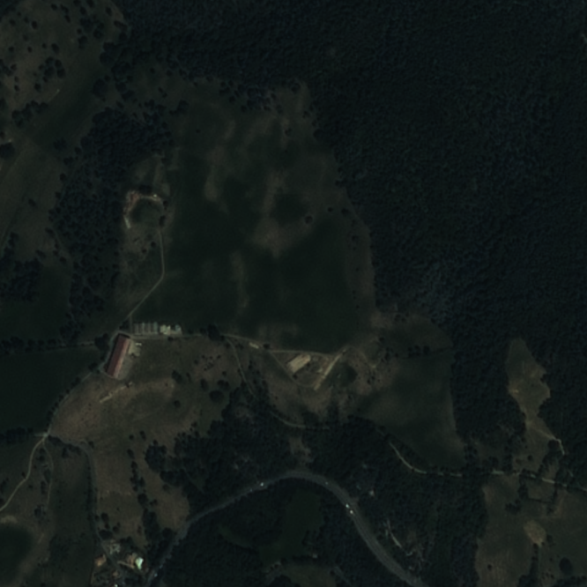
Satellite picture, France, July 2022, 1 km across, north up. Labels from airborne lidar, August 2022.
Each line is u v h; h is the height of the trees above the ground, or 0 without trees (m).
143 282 0
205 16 14
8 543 0
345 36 12
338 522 17
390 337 0
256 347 0
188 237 0
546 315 9
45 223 0
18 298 25
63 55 0
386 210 8
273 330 0
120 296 0
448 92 9
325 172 0
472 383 14
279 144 0
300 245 0
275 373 0
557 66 24
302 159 0
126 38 14
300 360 0
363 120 9
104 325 0
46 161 0
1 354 16
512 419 11
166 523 0
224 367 0
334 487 0
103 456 0
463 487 7
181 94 0
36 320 0
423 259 11
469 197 6
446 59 13
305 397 0
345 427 13
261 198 0
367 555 16
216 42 24
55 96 0
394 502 8
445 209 8
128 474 0
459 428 8
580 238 8
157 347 0
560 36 12
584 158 16
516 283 14
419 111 10
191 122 0
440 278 11
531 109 19
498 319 17
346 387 0
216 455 12
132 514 0
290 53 10
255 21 19
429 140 10
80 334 10
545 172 17
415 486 6
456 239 13
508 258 13
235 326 0
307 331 0
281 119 0
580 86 15
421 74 9
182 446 12
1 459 0
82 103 0
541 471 10
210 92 0
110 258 0
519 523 0
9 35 0
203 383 12
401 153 8
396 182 15
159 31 8
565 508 0
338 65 6
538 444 0
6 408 0
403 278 9
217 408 0
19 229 0
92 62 0
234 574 11
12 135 0
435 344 0
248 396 7
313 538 9
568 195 9
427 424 0
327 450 14
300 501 0
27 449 0
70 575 0
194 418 0
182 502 0
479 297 19
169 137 7
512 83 12
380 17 17
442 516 7
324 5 9
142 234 0
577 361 12
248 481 7
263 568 11
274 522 10
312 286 0
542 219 16
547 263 12
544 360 8
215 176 0
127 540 9
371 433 22
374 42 9
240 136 0
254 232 0
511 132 21
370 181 8
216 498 13
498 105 28
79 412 0
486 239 13
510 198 16
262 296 0
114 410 0
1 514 0
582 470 14
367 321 0
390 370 0
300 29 10
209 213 0
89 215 13
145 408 0
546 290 17
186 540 8
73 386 10
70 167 8
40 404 0
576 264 12
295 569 0
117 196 10
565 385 9
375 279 7
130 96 16
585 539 0
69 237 11
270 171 0
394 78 14
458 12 11
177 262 0
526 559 0
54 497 0
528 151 11
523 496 10
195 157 0
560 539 0
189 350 0
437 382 0
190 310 0
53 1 0
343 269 0
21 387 0
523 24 10
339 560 17
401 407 0
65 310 0
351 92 9
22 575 0
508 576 0
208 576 16
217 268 0
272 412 8
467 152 11
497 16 8
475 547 10
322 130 12
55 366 0
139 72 0
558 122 17
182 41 14
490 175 15
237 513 11
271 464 10
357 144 9
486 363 8
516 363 0
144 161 0
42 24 0
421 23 10
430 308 7
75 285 13
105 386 0
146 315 0
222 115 0
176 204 0
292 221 0
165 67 0
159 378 0
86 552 0
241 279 0
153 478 0
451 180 10
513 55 7
